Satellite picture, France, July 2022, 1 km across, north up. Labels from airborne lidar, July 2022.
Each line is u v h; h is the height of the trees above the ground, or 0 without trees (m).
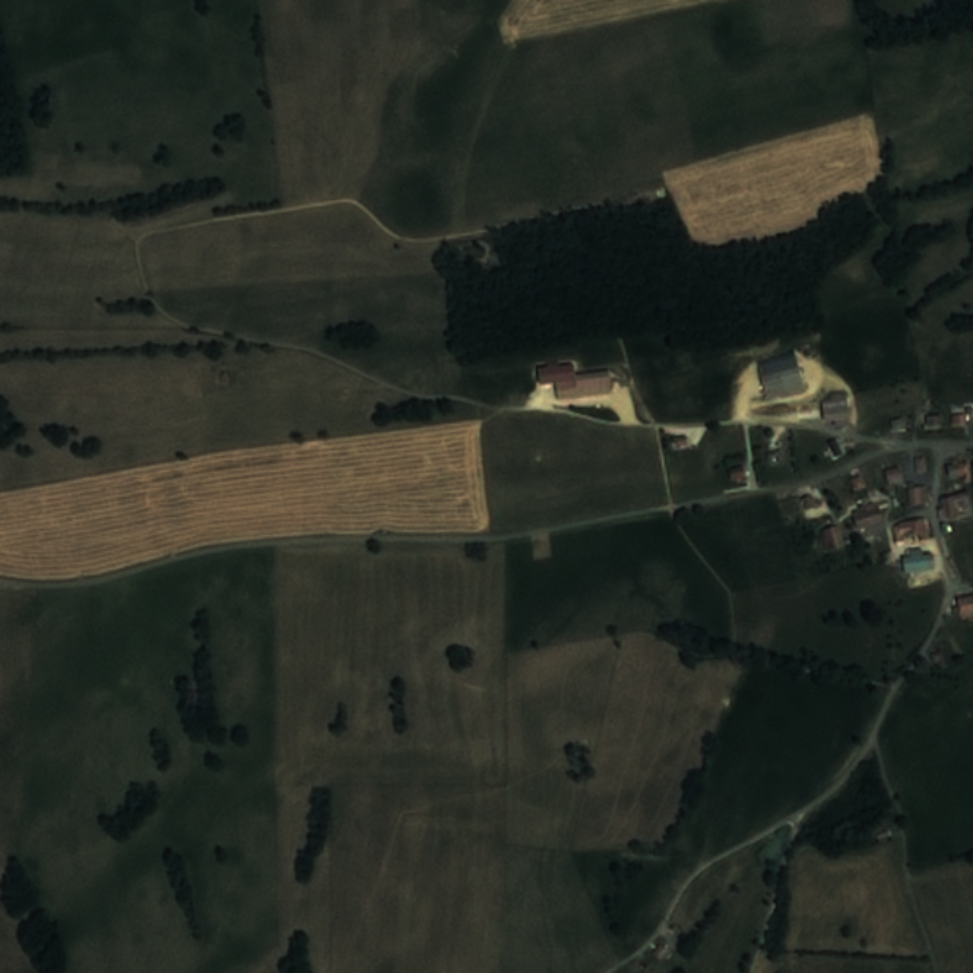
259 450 0
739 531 0
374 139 0
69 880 0
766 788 0
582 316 19
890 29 20
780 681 0
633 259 22
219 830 0
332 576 0
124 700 0
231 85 0
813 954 7
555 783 0
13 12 0
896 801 10
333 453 0
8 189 0
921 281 0
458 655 15
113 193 0
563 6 0
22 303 0
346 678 0
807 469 0
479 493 0
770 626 0
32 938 18
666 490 0
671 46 0
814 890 0
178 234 0
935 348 0
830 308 0
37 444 0
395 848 0
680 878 0
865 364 0
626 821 0
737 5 0
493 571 0
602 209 10
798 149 0
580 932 0
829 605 0
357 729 0
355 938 0
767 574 0
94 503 0
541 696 0
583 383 0
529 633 0
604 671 0
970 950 0
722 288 15
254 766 0
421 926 0
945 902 0
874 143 0
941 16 19
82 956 0
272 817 0
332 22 0
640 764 0
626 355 0
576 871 0
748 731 0
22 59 0
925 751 0
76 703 0
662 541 0
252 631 0
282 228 0
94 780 0
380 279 0
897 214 14
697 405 0
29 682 0
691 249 16
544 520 0
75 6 0
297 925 0
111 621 0
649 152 0
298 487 0
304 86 0
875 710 0
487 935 0
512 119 0
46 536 0
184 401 0
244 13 0
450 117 0
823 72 0
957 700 0
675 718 0
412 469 0
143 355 11
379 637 0
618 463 0
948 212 0
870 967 0
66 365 0
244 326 0
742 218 0
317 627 0
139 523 0
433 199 0
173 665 0
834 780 0
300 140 0
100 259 0
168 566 0
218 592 0
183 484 0
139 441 0
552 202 0
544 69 0
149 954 0
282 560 0
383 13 0
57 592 0
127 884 0
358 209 0
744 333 22
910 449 0
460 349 15
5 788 0
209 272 0
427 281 0
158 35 0
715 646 21
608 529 0
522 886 0
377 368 0
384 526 0
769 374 0
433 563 0
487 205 0
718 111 0
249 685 0
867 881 0
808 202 0
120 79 0
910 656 6
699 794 21
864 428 0
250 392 0
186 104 0
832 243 16
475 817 0
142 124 0
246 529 0
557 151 0
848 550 6
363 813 0
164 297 0
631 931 0
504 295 23
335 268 0
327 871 0
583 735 0
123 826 13
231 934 0
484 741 0
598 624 0
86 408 0
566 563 0
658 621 0
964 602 0
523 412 0
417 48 0
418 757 0
